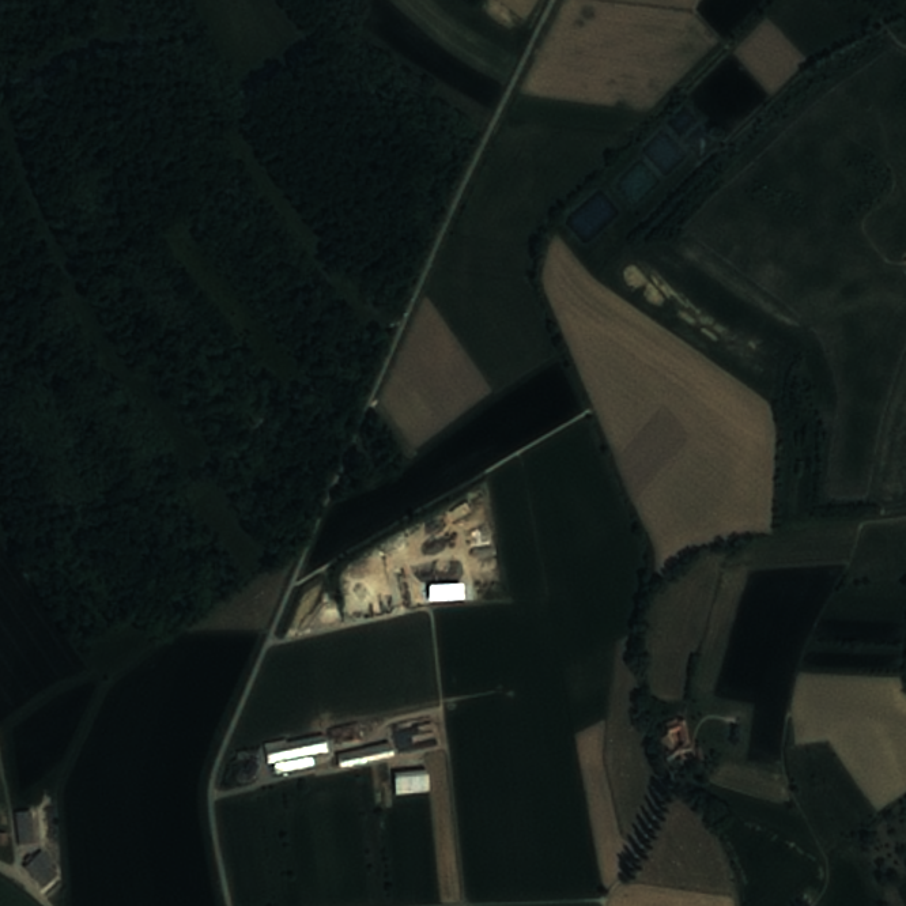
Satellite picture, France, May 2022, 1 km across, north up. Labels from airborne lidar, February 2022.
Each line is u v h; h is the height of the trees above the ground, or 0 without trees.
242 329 0
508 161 0
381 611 0
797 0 0
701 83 0
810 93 0
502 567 0
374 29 0
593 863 0
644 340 0
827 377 0
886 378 0
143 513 27
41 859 0
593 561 0
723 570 0
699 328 0
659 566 0
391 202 26
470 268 0
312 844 0
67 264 0
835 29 0
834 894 0
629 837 0
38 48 18
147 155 27
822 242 0
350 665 0
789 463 0
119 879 0
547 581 0
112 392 26
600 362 0
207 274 0
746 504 0
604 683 0
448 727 0
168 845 0
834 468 0
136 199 27
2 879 0
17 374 12
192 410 28
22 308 28
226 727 0
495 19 0
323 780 0
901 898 0
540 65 0
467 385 0
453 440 0
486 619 0
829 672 0
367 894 0
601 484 0
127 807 0
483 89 0
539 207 0
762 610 0
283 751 0
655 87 0
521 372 0
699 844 0
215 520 0
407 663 0
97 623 28
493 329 0
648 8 0
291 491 26
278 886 0
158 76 21
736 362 0
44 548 28
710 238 0
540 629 0
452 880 0
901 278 0
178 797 0
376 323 0
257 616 0
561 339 14
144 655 0
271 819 0
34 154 25
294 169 23
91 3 20
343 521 0
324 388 24
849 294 0
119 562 28
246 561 0
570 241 0
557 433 0
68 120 25
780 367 0
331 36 19
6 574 0
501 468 0
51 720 0
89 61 21
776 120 0
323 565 0
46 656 0
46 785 0
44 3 27
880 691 0
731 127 0
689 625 0
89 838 0
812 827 0
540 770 0
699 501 0
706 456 0
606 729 0
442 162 9
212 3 0
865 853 11
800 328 0
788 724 0
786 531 0
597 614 0
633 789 0
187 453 0
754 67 0
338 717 0
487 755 0
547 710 0
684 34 0
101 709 0
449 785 0
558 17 0
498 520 0
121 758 0
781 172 0
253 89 23
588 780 0
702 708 0
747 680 0
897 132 0
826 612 0
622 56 0
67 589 19
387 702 0
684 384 0
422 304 0
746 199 0
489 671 0
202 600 31
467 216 0
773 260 0
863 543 0
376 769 0
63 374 16
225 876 0
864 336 0
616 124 0
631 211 0
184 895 0
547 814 0
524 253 0
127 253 25
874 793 0
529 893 0
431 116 22
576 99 0
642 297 0
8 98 22
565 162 0
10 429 21
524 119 0
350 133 26
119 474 22
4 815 0
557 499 0
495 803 0
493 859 0
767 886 0
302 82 23
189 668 0
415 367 0
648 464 0
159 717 0
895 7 15
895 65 0
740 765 0
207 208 21
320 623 0
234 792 0
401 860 0
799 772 0
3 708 0
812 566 0
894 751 0
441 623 0
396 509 0
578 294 0
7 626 0
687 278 0
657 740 17
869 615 0
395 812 0
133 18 14
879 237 0
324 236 24
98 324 0
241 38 0
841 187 0
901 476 0
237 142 0
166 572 32
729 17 0
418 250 24
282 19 0
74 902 0
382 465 20
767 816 0
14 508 23
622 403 0
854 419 0
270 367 0
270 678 0
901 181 0
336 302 14
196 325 25
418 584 0
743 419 0
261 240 25
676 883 0
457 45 0
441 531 0
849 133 0
